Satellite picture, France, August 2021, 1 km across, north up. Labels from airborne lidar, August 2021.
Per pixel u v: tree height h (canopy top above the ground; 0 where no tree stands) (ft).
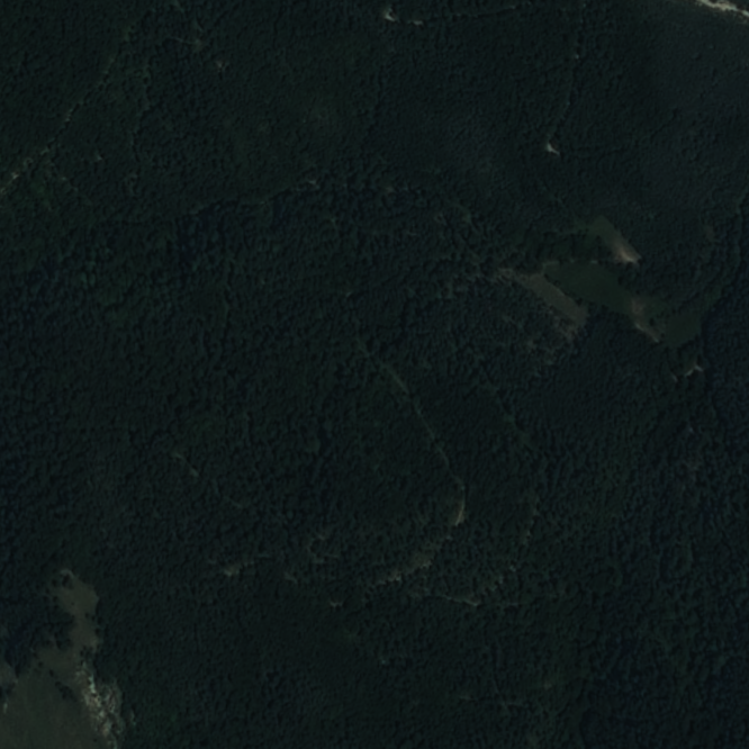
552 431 101
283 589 67
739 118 52
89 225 70
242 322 42
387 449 53
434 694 59
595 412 94
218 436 60
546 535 42
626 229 40
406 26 62
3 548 63
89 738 0
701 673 63
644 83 71
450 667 47
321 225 87
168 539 68
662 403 55
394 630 40
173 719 54
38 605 64
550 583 31
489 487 50
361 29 58
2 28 66
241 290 72
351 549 41
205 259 69
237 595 60
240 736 72
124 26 89
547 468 39
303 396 62
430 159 56
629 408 94
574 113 61
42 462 80
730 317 88
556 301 0
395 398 19
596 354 89
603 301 0
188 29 73
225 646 55
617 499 83
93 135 68
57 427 57
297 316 100
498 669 75
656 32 42
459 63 53
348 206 96
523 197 41
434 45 42
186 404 59
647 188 62
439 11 73
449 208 100
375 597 65
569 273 0
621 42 55
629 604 52
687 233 54
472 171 37
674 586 95
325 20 91
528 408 86
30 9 89
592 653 51
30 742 0
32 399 82
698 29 31
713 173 63
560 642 46
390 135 60
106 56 46
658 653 51
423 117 62
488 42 70
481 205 65
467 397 51
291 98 50
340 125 37
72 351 77
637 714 76
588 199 56
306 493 65
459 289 66
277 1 67
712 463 96
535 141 39
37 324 107
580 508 66
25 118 81
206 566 72
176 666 62
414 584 80
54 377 69
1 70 51
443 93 73
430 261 79
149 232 93
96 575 46
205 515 77
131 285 71
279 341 31
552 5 60
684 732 71
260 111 58
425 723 49
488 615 51
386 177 94
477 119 52
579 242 46
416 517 47
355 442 38
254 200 57
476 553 82
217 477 72
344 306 73
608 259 38
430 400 42
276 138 55
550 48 59
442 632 55
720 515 52
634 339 97
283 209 75
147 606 63
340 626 56
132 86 83
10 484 55
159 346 55
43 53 47
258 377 91
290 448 74
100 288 58
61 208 46
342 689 57
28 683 0
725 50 39
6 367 77
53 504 52
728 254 52
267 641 57
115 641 50
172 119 88
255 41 47
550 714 21
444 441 49
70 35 68
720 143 59
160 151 96
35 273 64
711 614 39
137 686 48
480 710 64
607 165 70
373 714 50
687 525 87
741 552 46
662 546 85
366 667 48
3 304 78
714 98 41
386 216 95
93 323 59
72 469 62
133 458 85
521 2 46
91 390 65
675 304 43
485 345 76
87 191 79
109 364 60
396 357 53
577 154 81
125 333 52
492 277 78
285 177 48
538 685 57
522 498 52
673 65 47
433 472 47
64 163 76
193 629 44
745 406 106
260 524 42
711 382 47
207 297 41
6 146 96
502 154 49
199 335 91
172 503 72
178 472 74
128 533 71
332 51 47
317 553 80
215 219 89
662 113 59
